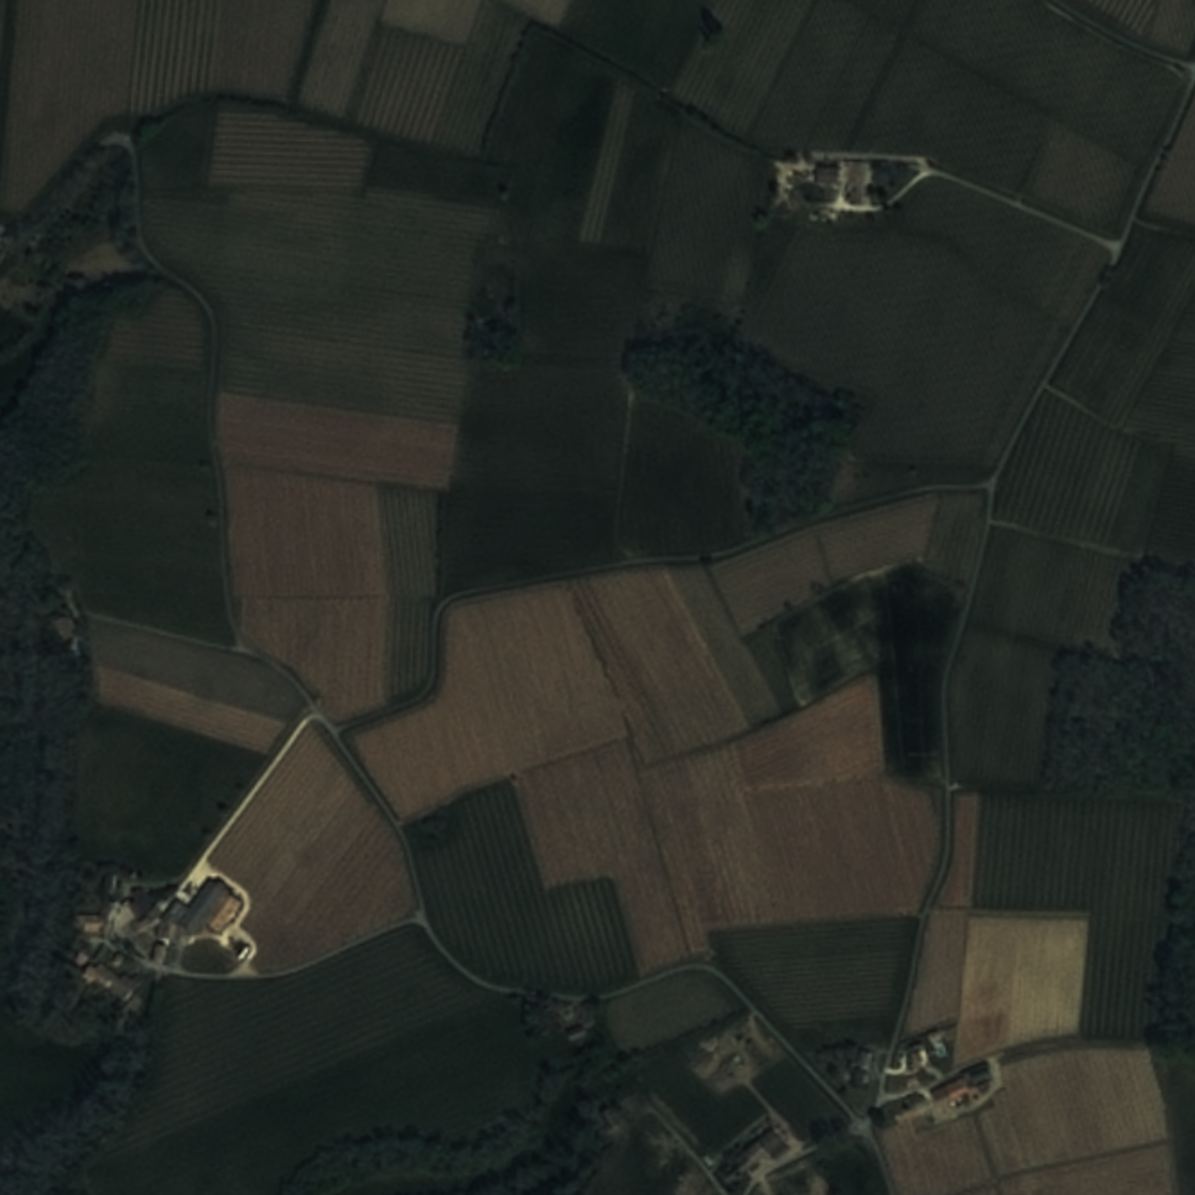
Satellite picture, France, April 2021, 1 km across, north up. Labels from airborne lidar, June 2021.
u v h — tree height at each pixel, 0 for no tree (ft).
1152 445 0
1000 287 0
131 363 0
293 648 0
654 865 0
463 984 0
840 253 0
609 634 0
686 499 0
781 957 0
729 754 0
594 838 0
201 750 0
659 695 0
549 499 0
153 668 0
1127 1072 0
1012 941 0
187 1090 0
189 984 0
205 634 0
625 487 0
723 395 81
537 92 0
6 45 0
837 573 0
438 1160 64
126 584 0
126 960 25
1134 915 0
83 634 34
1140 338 0
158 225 0
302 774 0
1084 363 0
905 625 0
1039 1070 0
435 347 0
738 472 0
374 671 0
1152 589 66
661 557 0
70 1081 0
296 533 0
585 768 0
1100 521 0
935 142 0
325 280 0
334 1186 55
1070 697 32
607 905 0
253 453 0
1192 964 52
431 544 0
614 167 0
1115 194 0
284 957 0
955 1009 0
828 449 61
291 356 0
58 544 0
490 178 0
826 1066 22
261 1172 0
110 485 0
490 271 0
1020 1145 0
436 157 0
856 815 0
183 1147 0
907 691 0
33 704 63
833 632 0
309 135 0
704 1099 0
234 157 0
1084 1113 0
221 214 0
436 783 0
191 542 0
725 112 0
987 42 0
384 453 0
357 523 0
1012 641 0
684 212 0
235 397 0
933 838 0
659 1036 0
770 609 0
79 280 30
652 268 0
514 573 0
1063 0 0
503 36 0
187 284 0
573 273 0
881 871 0
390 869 0
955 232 0
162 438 0
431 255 0
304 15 0
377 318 0
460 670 0
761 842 0
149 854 0
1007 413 0
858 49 0
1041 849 0
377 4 0
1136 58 0
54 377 56
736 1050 0
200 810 0
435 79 0
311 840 0
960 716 0
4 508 38
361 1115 0
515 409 0
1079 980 0
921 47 0
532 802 0
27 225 29
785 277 0
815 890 0
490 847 0
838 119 0
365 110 0
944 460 0
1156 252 0
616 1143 0
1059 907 0
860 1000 0
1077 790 31
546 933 0
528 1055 0
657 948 0
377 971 0
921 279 0
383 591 0
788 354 0
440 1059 0
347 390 0
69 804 28
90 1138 48
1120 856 0
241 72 0
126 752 0
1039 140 0
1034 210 0
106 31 0
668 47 0
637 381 58
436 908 0
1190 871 57
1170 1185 0
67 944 20
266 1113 0
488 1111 0
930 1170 0
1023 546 0
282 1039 0
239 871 0
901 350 0
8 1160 75
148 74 0
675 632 0
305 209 0
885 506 0
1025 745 0
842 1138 64
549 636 0
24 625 26
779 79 0
